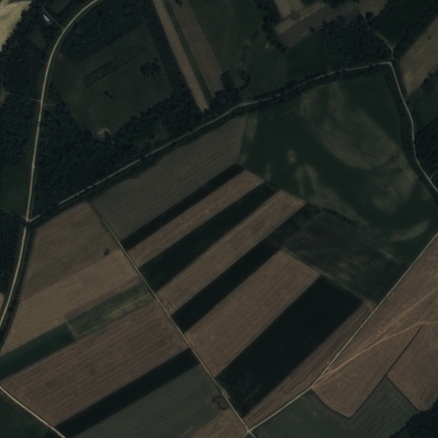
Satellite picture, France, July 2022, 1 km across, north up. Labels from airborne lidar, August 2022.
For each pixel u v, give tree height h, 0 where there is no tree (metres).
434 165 15
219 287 0
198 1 0
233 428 0
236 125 0
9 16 0
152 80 0
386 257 0
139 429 0
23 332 0
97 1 0
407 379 0
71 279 0
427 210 0
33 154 0
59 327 0
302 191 0
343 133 0
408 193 0
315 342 0
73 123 13
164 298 0
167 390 0
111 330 0
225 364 0
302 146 0
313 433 0
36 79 7
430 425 21
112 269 0
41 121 0
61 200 7
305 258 0
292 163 0
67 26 0
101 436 0
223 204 0
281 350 0
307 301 0
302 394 0
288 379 0
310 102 0
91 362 0
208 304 0
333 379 0
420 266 0
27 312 0
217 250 0
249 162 0
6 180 0
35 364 0
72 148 27
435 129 13
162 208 0
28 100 20
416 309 0
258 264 0
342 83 0
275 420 0
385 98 0
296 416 0
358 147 0
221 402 0
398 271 0
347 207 0
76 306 0
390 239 0
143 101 0
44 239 0
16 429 0
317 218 0
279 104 9
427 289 0
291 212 0
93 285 0
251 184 0
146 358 0
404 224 0
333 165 0
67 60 0
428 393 0
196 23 0
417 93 0
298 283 0
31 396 0
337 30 6
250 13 0
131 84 0
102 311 0
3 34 0
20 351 0
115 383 0
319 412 0
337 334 0
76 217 0
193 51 0
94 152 20
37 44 0
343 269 0
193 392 0
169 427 0
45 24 6
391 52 13
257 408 0
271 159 0
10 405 0
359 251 0
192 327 0
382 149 0
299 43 0
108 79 0
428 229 0
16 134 18
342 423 0
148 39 0
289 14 0
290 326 0
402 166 0
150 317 0
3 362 0
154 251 0
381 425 0
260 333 0
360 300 0
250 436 0
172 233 0
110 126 0
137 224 0
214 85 0
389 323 0
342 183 0
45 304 0
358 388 0
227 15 0
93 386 0
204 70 0
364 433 0
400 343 0
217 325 0
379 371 0
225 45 0
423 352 0
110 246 0
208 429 0
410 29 14
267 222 0
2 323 0
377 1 0
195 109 10
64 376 0
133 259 0
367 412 0
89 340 0
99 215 0
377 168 0
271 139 0
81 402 0
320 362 0
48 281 0
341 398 0
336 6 9
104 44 6
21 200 0
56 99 6
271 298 0
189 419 0
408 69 0
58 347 0
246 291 0
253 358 0
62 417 0
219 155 0
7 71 7
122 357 0
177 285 0
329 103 0
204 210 0
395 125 0
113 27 8
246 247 0
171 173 0
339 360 0
